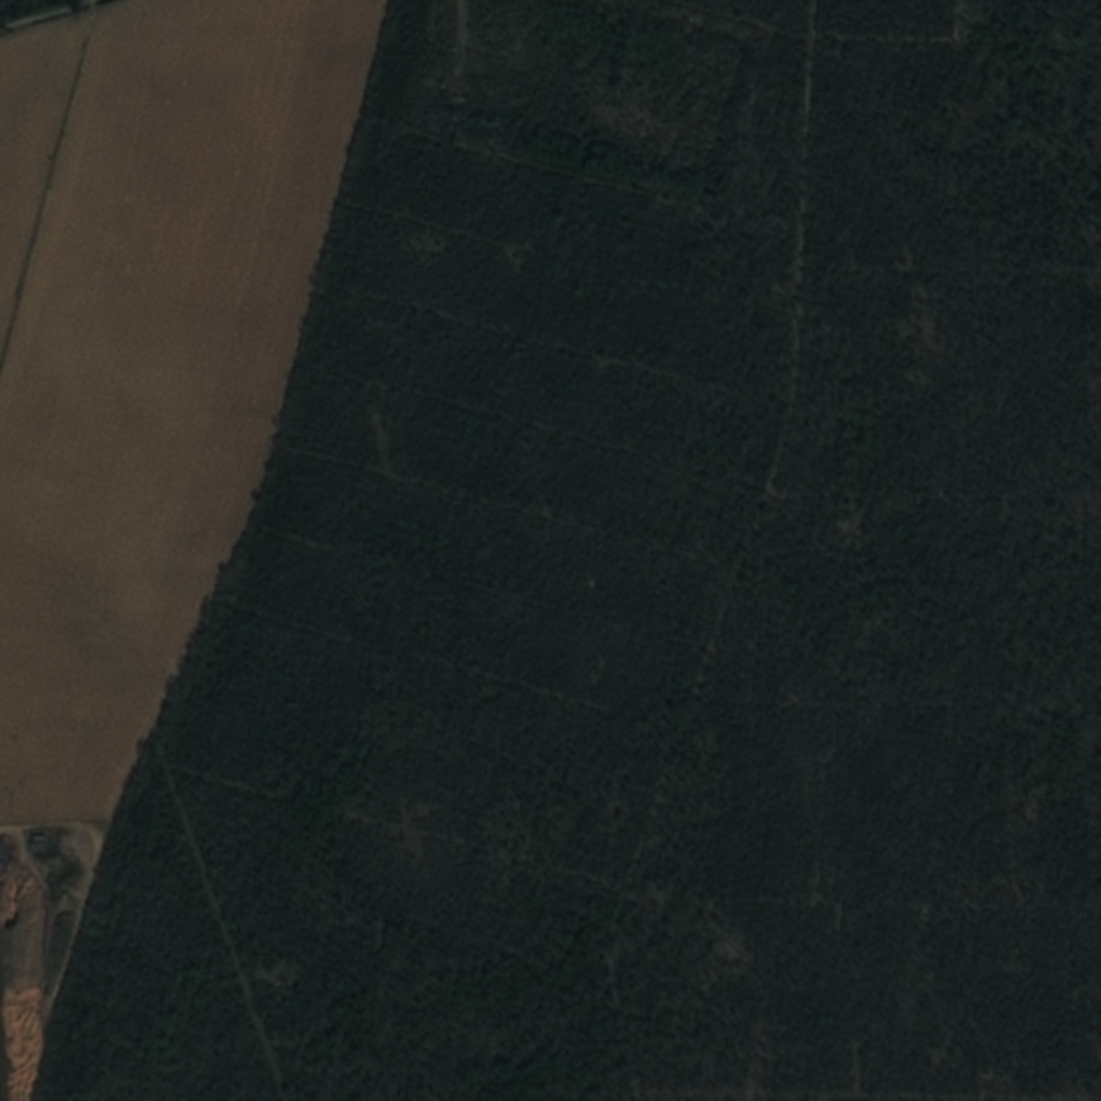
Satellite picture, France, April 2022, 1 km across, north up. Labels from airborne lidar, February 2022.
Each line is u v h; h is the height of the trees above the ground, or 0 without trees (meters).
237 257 0
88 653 0
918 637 9
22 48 0
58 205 0
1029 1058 13
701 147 9
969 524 9
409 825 0
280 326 0
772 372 10
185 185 0
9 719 0
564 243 14
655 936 12
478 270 9
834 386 13
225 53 0
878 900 10
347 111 0
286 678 10
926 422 10
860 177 6
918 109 13
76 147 0
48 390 0
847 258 9
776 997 15
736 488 10
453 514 11
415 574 10
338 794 11
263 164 0
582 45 7
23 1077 0
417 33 8
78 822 0
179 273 0
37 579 0
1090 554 10
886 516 9
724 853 10
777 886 7
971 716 7
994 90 16
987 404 7
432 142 8
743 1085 11
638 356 7
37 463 0
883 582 8
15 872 0
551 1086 8
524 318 6
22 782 0
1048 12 11
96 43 0
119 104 0
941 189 13
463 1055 13
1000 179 13
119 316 0
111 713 0
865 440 14
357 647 9
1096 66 6
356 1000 12
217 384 0
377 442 0
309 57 0
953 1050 8
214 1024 10
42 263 0
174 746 11
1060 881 10
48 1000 0
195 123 0
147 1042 10
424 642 10
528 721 11
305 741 6
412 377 7
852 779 8
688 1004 11
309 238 0
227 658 7
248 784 9
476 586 8
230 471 0
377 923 15
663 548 10
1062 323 10
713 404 11
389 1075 13
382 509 8
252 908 12
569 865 11
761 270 6
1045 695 15
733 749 7
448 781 8
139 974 8
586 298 7
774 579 13
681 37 12
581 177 11
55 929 0
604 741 10
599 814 10
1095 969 6
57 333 0
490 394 6
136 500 0
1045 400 9
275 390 0
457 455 9
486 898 10
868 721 9
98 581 0
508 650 9
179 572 0
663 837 11
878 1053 8
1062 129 14
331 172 0
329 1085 15
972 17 12
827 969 11
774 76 9
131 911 7
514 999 11
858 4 5
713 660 10
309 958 8
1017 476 8
